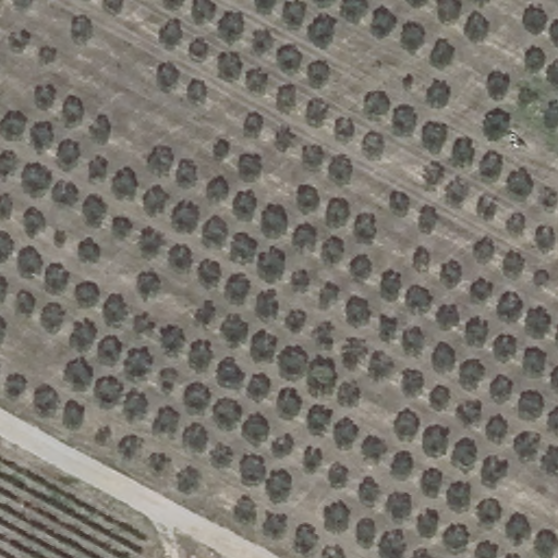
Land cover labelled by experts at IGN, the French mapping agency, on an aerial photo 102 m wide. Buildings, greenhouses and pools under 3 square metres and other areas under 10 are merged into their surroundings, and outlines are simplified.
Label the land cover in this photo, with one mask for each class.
<instances>
[{"label":"plowed land","instance_id":"1","mask_svg":"<svg viewBox=\"0 0 558 558\"><path fill-rule=\"evenodd\" d=\"M33 0H0V120L7 111H22L26 116L24 131L20 137L7 140L0 131V153L11 150L17 157L15 170L9 177H0V231L9 233V235H11V240H13V248H11L9 257H7L4 262H0V408L17 416L20 421L31 423L33 427L41 429L54 440L98 460L100 464L135 480L137 484L159 493L161 497L183 506L185 510L205 517L207 521L218 523L220 527L231 530L233 534L268 549L279 558H381L379 543L384 532L388 530H403L405 551L401 558H475V549L484 541L497 545L495 558H543L534 547L538 532L551 530L558 536V473L551 475L545 471L543 456L549 447H558V299L545 296L543 286L534 283V272L543 268L541 255L545 251L538 248L534 235L525 229L521 235H512L508 231L506 220L512 214L510 207L497 209L495 205H488L477 194V190L469 192V196L460 205H451V201L445 196V190L438 185L432 192L425 190V179L414 181L405 174L410 166L405 161L410 155L408 150L399 148L395 155H384L377 159L366 157V153L362 150V140L366 133L362 126L355 129L353 137H347L342 142L336 137V122L327 118L320 126L310 124L301 137L307 144H316L325 150L318 170L312 172L310 166L303 163V159H290L286 150H281L275 144V140L266 144L259 135L246 137L244 120L251 111L220 96L214 89H207V98L203 102H192L187 94L177 96L172 87L168 92H161L159 87L157 68L161 63L157 57L135 48L131 41H122L102 28L92 26V37L87 41L74 39V15L70 9L50 4L48 9L39 11L37 17H28L26 9ZM20 31L31 33L28 44L37 50L41 46L57 48V59L46 63L39 59V52L33 59L24 57L22 48H13L9 39L11 33ZM37 85H54L57 89L54 102L48 109L39 107L35 100ZM68 96H78L85 107V116L76 124L65 122L61 113ZM102 113L109 118L111 135L107 142H96L89 129ZM37 122H52L54 133L48 148L57 150L63 140L78 142L81 157L70 170H63L59 166L57 155L48 159L44 155L46 148L33 146L31 133ZM218 140L229 142V155L235 159H240V155L244 153H255L262 159V174L257 179H242L240 183L229 185V192L222 201H214L207 196L205 179H196V183L192 185H181L177 181L181 159H194L201 150L211 153ZM155 146H170L174 153L172 166L166 174L150 170L146 161L148 153ZM336 155H347L353 163L349 183L338 185L336 179L329 177V163ZM96 157L107 159V172L102 179H89V161H94ZM26 163H41L52 174L48 187L39 196H33L24 190L22 172ZM122 168H133L137 174V187L133 198H120L113 194L111 183L116 172ZM59 181L76 185L78 194L74 205H59L52 201V190ZM155 185H161L170 196L166 207L159 214L150 216L144 207V194ZM301 185H312L318 192L316 209L303 211L299 207L296 190ZM395 190L408 194L410 198V209L405 216L390 207V192ZM238 192L255 194L257 203L251 218H240L233 211V201ZM92 194L100 196L107 205L98 227L87 225L83 214L85 198ZM329 198L349 201V218L340 227H331L325 220ZM181 201H190L198 207L196 227L187 233L177 231L172 225V209ZM270 203L281 205L288 214V227L281 235H268L262 229V214ZM425 205H432L438 211V222L429 233H425L419 225V214ZM28 207L39 209L46 218V227L35 235H28L24 227V211ZM360 214L375 216L377 233L373 242H360L353 231L355 218ZM116 216H126L133 222L126 238H118L113 233ZM211 216H220L227 222V238L222 246L203 244V227ZM305 222L316 227L314 248H301L292 242L294 229ZM146 227L163 235L157 255L144 253L140 246V235ZM235 233H248L257 240V246L262 251H268L272 246L281 248L286 253V268L281 277L275 281H266L257 270V257H251L248 262H233L231 246ZM333 235L342 238L344 242V253L338 264H329L323 259V244ZM480 238H490L495 244V253L488 262H480L473 253V244ZM83 240H94L100 246L98 262H83L78 257V244ZM174 244L190 246L192 264L187 268H174L168 262L170 248ZM24 246L37 248V253L44 259L39 270L33 275H22L17 266V257ZM421 246L429 251V264H438L442 268V264L451 259L458 262L462 268V279L451 288L440 279V275H429L427 264L421 266V270H416L412 257L414 251ZM508 251H519L523 255L521 275H510L504 270V257ZM355 255H366L371 259V275L362 281H355L349 268ZM203 259L220 264V279L211 286H205L198 277V266ZM50 264H61L70 272V279L61 292H50L46 288V270ZM148 270H155L159 275L157 294L142 296L137 283H120L122 275H133L137 279L140 272ZM299 270H307V272H310V286H307L305 290H299V288H294V286H292V275H294V272H299ZM386 270L401 272V288L397 299L392 301L384 299L379 288L381 275ZM235 272L244 275L251 283L244 303L231 301L225 290L229 277ZM477 279H486L493 283V292L486 301H477L469 292L471 283ZM81 281H94L100 288L98 299L92 307H83L74 296V290ZM325 283H336L340 292L338 299L323 310L318 296ZM412 286H423L432 292V303L425 312H416L405 303V294ZM20 290H31L35 294L33 312L39 316L48 303H59L65 310L63 323L72 329L78 320H92L96 325V336L92 344L87 349H76L70 342V338H65L57 347H46L44 338L50 333V329H46L41 320L33 323L31 314L17 312L15 299ZM266 290H275L279 310L275 316L262 318L255 305L257 296ZM504 292H517L523 301L517 320H506L497 314V303ZM109 294H122L126 303L124 318L111 325L105 320L102 314ZM351 296L368 301L371 318L362 325H351L347 318V301ZM205 301H211L216 307V314L207 325L196 320V312L205 305ZM442 305H456L458 310V323L447 329L436 318ZM532 307H543L551 316L545 336L536 338L525 327ZM292 310L305 312V325L299 331H292L286 325V318ZM144 312L155 320V329L137 333L133 320L137 314ZM231 314H238L248 325L246 336L240 344L229 342L220 331L222 323ZM384 314L397 318V329L390 340H381L379 333V318ZM471 318H482L488 323V336L484 344L466 342L464 329ZM320 323L333 325L331 347L320 344L316 340L314 329ZM168 325L183 329L185 336L177 353L166 351L161 344V329ZM412 327L423 329V349L416 355L405 353L401 342L403 331ZM257 331H266L277 338V347L268 362H257L251 355V342ZM501 333H510L517 338L514 355H510L508 360H499L493 349L497 336ZM105 336H118L122 342V351L116 357V364H109L105 357L98 355V347ZM349 338H362L368 347L366 355H362L353 368H349L342 357V349ZM194 340L211 342V360L205 371H196L190 364V349ZM438 342H447L456 351V360L449 371L434 368L432 353ZM140 347H148L153 364L144 377H131L124 371L126 355L131 349ZM286 347H303L312 360H333L338 379L329 395H312L303 377L288 379L281 375L279 357ZM530 347L545 351V366L541 375H532L523 368V353ZM375 351H381L395 362V368L388 377L375 379L368 373L371 357ZM76 357H85L94 371L85 390H76L72 381L65 379V366L70 360ZM225 357H233L235 364L242 368L244 375L240 384L222 386L218 381V364ZM466 360H480L484 364V377L477 381L475 388H466L460 384V366ZM161 368H177V371H179V375H177V384L172 386V390H163V388H161V384H159V373H161ZM408 368H414L423 375V388L429 392L436 386L449 388V401L442 410L434 408L432 401L419 403L416 395H408L403 390V373ZM13 373L26 377V392H31L33 397L39 386H52L59 395L57 408L48 416H44L35 408V401L24 403L20 397H11L7 392V377ZM257 373H264L270 379L268 395L259 399L248 395L251 379ZM105 375H113L118 377V381H122V392L113 405H100V401L94 395L98 377ZM497 375H506L512 379V392L506 401H497L490 395V381ZM194 381L209 386L211 397L205 410H192L183 401L185 388ZM349 381H357L360 386V399L355 405H342L338 401L340 388ZM283 388H294L301 397L299 414L292 419H286L277 408V397ZM131 390L144 392L148 401L146 414L133 421H129L124 414L126 392ZM525 390H538L543 395V410L532 421L519 414V397ZM218 399H235L242 405V414L238 416L231 429L220 427L214 419V405ZM68 401H76L85 410L83 423L78 427H65L63 423ZM464 401L482 403L480 421L473 425L462 423L456 414L458 405ZM166 405H172L179 412V423L172 434H157L153 429V423L159 408ZM312 405H325L331 410V419L327 421L323 434H312L307 427V412ZM401 410H412L419 416V429L414 438H399L395 432V419ZM251 414H264L268 421V436L262 442H253L242 434V427L251 419ZM497 414L504 416L508 423V432L501 438V442L490 440L486 434L488 419ZM342 419H351L357 425V436L349 447H338L333 438L336 423ZM192 423H201L207 429V442L203 449H192L183 445V432ZM429 425H442L449 429L447 447L438 456H429L423 449V436ZM521 432H532L541 438L532 458H521L514 449V438ZM129 434L142 438V447L133 453V458H124L118 447L120 438ZM286 434L292 436L294 447L288 456L279 458L272 451V442ZM368 436H377L386 442V453L379 460H368L362 453V445ZM462 438H471L475 442L477 451L473 466H460L451 462L453 449ZM218 445L231 447V462L227 466H214L211 462V453ZM307 447H316L323 451V462L316 466V471L305 469L303 456ZM399 451H408L412 456V473L408 477H397L390 471L392 460ZM246 453L264 456L266 469H286L290 473L292 488L286 501H272L264 484L242 482L240 460ZM488 456H497L499 460L508 462L506 477H501L497 486H486L482 480V464ZM336 464H344L349 471L347 482L340 488L331 486L329 482V471ZM187 466L196 469L201 480L194 490L181 493L179 473ZM427 469H438L442 473L440 488L434 497L425 495L421 486V477ZM364 477H373L379 486V495L375 501H362L357 493ZM453 482L471 484V499L469 506L462 510H453L447 501V493ZM222 488H227L235 499L248 495L255 504V519L238 521L233 510H225L222 501L218 499V493ZM392 493L410 495L412 510L405 519H395L386 510L388 497ZM484 499H497L501 504V517L495 523H482L477 517V506ZM333 501H344L349 506V523L342 532H331L325 525V508ZM427 510L438 512V525L434 530V536H423L416 525L419 517ZM268 512L286 514V530L277 538L264 534V521ZM514 512L525 514L530 521V534L521 543H514L506 534V525ZM362 519L375 521V534L368 547L360 545L355 536L357 523ZM301 523L314 525L318 536L316 545L307 554H301L294 547L296 527ZM453 523H464L469 530V543L460 554H453L442 543L445 530ZM386 7L392 15H397L395 26L401 31L405 22H419L421 17L416 15V7L410 4V0H368L364 13L373 17L375 9ZM161 545L166 549V558H227L218 554L214 547L196 543L192 536L181 534L174 527H166L161 523L157 525Z\"/></svg>","mask_w":558,"mask_h":558},{"label":"deciduous trees","instance_id":"2","mask_svg":"<svg viewBox=\"0 0 558 558\"><path fill-rule=\"evenodd\" d=\"M216 11L214 0H194L192 15L198 24L211 20ZM368 0H290L283 4V20L290 28L299 26L301 31H305L307 37L320 48L331 41L333 26L338 22H344L347 17L351 22H357L364 13ZM462 9L460 0H438L436 11L442 22H456ZM397 15H392L386 7L375 9L373 17L371 28L377 37H386L395 26ZM547 17L545 11L541 7H527L523 11L525 28L530 33H541ZM218 31L227 41H235L244 31V17L238 11H227L218 24ZM464 31L469 39L480 41L488 35V20L475 11L469 15ZM74 39L87 41L92 37V20L87 15H74ZM159 39L168 48H174L181 41V20H168L159 28ZM425 41V28L419 22H405L401 31L403 48L416 50ZM272 41L270 31L264 28L255 31L253 35V48L259 52H266V48ZM9 39L13 48H22L24 57L33 59L39 52V59L46 63L57 59V48L41 46L37 50L28 44L31 33L20 31L11 33ZM429 59L432 65L445 68L453 61V46L447 39H438L432 48ZM303 54L296 46L286 44L277 50L279 65L283 70H299ZM525 68L538 70V78L547 76L549 83L558 87V61L547 59L545 52L536 46L525 50ZM242 68L240 52H220V76L227 81L238 78ZM310 83L314 87H320L329 76V63L318 59L312 61L307 68ZM159 87L161 92H168L172 87L179 81V70L174 68V63H161L157 68ZM246 85L251 92H266L268 74L262 68H255L246 74ZM488 92L493 98H499L508 92L510 76L504 72H490L486 81ZM192 102H203L207 98V89L203 81L192 78L187 85V94ZM451 96V89L445 81H434L427 87V102L434 107H445ZM296 102L294 85L290 83L281 85L277 92V109L286 113ZM57 89L54 85H37L35 100L39 107L48 109L54 102ZM390 98L386 92H368L364 96V109L366 116L373 120V116L386 113ZM61 113L65 122L76 124L85 116V107L78 96H68ZM327 102L323 98H314L307 102L305 111L310 124L320 126L327 118ZM545 129H558V100H551L543 113ZM416 124V113L410 105H399L392 116V126L401 135H410ZM510 113L504 109H490L484 118L486 135L475 146L469 137H458L451 150V159L456 166H466L473 161V150H477L484 155L480 166L482 177L497 179V174L501 172L504 157L521 161L523 157H532L541 148V144H525V140L521 137H512L508 133ZM26 116L22 111H7L0 120V131L7 140L20 137L24 131ZM262 113L251 111L244 120L246 137L259 135L266 144L275 140V144L281 150H286L290 159H303V163L310 166L312 172L318 170L325 150L316 144H307L301 137H296L290 131V126L279 129L272 135L270 131L262 129ZM96 142H107L111 135L109 118L102 113L89 129ZM355 129L351 118H338L336 122V137L342 142L347 137H353ZM54 133L52 122H37L31 133L33 146L46 148L44 155L48 159L57 155L59 166L63 170H70L81 157L78 142L63 140L57 150L48 148ZM447 140V124L427 122L423 126V144L427 150H440ZM362 150L366 153V157L377 159L384 155V135L379 131L366 133L362 140ZM262 174V159L255 153H244L240 155V159H235L229 155V142L218 140L211 153L201 150L194 159H181L177 181L181 185H192L196 183V179H205L207 196L214 201H222L229 192V185L240 183L242 179H257ZM174 153L170 146H155L148 153L146 161L150 170L166 174L172 166ZM17 157L11 150L0 153V177H9L15 170ZM353 163L347 155H336L329 163V177L336 179L338 185L349 183ZM107 172V159L96 157L94 161H89V179H102ZM405 174L414 181L425 179V190L432 192L438 185V181L445 177V166L440 161H432V166L425 172L421 166H410ZM52 174L41 163H26L22 172L24 190L33 196H39L48 187ZM113 194L120 198H133L137 187V174L133 168H122L116 172L111 183ZM506 187L517 198H525L532 192V177L525 168H519L510 172ZM445 196L451 201V205H460L469 196V192L462 177L451 181L445 190ZM78 194L76 185L59 181L52 190V201L59 205H74ZM170 196L161 185H155L144 194V207L150 216L159 214L166 207ZM299 207L303 211L316 209L318 192L312 185H301L296 190ZM390 207L405 216L410 209V198L408 194L395 190L390 192ZM257 203L255 194L238 192L233 201V211L240 218H251ZM107 205L100 196L92 194L85 198L83 214L87 225L98 227ZM349 218V201L329 198L325 220L331 227H340ZM198 207L190 201H181L172 209V225L177 231L187 233L196 227ZM288 227V214L281 205L270 203L262 214V229L268 235H281ZM438 222V211L432 205H425L419 214V225L425 233H429ZM24 227L28 235H35L46 227V218L39 209L28 207L24 211ZM353 231L360 242H373L377 233L375 216L360 214L355 218ZM508 231L512 235H521L525 229V216L512 214L506 220ZM133 222L126 216H116L113 233L118 238H126ZM227 238V222L220 216H211L203 227V244L222 246ZM292 242L301 248H314L316 227L305 222L294 229ZM538 248L545 251L541 255L543 268L534 272V283L543 286L545 296L558 299V242L551 225L536 227L534 235ZM163 235L146 227L140 235V246L144 253L157 255ZM11 248H13V240H11V235H9V233L0 231V262H4L7 257H9ZM251 257H257V270L266 281H275L281 277L286 268V253L281 248L272 246L268 251H262L257 246V240L248 233H235L231 246L233 262H248ZM344 253V242L342 238L333 235L323 244V259L329 264H338ZM473 253L480 262H488L495 253V244L490 238H480L473 244ZM78 257L83 262H98L100 246L94 240H83L78 244ZM168 262L174 268H187L192 264L190 246L174 244L170 248ZM44 259L37 253V248L24 246L17 257V266L22 275H33L39 270ZM416 270H421V266L427 264L429 275H440V279L451 288L462 279V268L458 262L451 259L442 264V268L438 264H429V251L421 246L414 251L412 257ZM504 270L510 275H521L523 255L519 251H508L504 257ZM349 268L355 281H362L371 275V259L366 255H355ZM198 277L205 286H211L220 279V264L203 259L198 266ZM70 279V272L61 264H50L46 270V288L50 292H61ZM120 283H137L142 296L157 294L159 275L155 270H148L140 272L137 279L133 275H122ZM292 286H294V288H299V290H305L307 286H310V272H307V270H299V272H294V275H292ZM379 288L384 299L392 301L397 299L401 288V272L386 270L381 275ZM251 283L244 275L235 272L229 277L225 290L231 301L244 303ZM469 292L477 301H486L493 292V283L486 279H477L471 283ZM100 288L94 281H81L74 290V296L83 307H92L98 299ZM340 292L336 283H325L318 296L323 310L338 299ZM405 303L416 312H425L432 303V292L423 286H412L405 294ZM17 312L31 314L33 323L41 320L46 329H50V333L44 338L46 347H57L65 338H70V342L76 349H87L92 344L96 336V325L92 320H78L72 329L63 323L65 310L59 303H48L39 316L33 312L35 294L31 290H20L15 299ZM262 318L275 316L279 310L275 290H266L257 296L255 305ZM523 301L517 292H504L497 303V314L506 320H517ZM102 314L105 320L111 325L124 318L126 303L122 294H109ZM347 318L351 325H362L371 318L368 301L351 296L347 301ZM216 314V307L211 301H205V305L196 312V320L207 325ZM436 318L447 329L458 323V310L456 305H442ZM551 316L543 307H532L525 327L536 338L545 336ZM286 325L292 331H299L305 325V312L292 310L286 318ZM137 333L155 329V320L144 312L137 314L133 320ZM248 325L238 314H231L222 323L220 331L229 342L240 344L246 336ZM397 329V318L384 314L379 318V333L381 340H390ZM466 342L484 344L488 336V323L482 318H471L464 329ZM333 325L320 323L314 329L316 340L320 344L331 347ZM185 336L183 329L168 325L161 329V344L166 351L177 353ZM401 342L405 353L416 355L423 349V329L412 327L403 331ZM277 347V338L266 331H257L251 342V355L257 362H268ZM493 349L499 360H508L510 355H514L517 338L510 333H501L497 336ZM122 351V342L118 336H105L98 347V355L105 357L109 364H116V357ZM368 347L362 338H349L342 349V357L349 368H353L362 355H366ZM211 360V342L194 340L190 349V364L196 371H205ZM456 360V351L447 342H438L432 353L434 368L449 371ZM153 364L148 347H140L131 349L126 355L124 371L131 377H144ZM281 375L288 379L303 377L312 395H329L338 379L333 360H312L303 347H286L279 357ZM545 366V351L530 347L523 353V368L532 375H541ZM395 368V362L381 351H375L371 357L368 373L375 379L388 377ZM94 371L85 357H76L70 360L65 366V379L72 381L76 390H85ZM244 375L242 368L235 364L233 357H225L218 364V381L222 386L240 384ZM484 377V364L480 360H466L460 366V384L466 388H475L477 381ZM177 375H179V371H177V368H161V373H159V384H161V388H163V390H172V386L177 384ZM403 390L408 395H416L419 403L432 401L434 408L442 410L449 401V388L436 386L429 392L423 388V375L414 368H408L403 373ZM7 392L11 397H20L24 403L35 401V408L44 416H48L57 408L59 395L52 386H39L33 397L31 392H26V377L13 373L7 377ZM270 379L264 373H257L251 379L248 395L259 399L268 395ZM122 392V381H118V377L113 375H105L98 377L94 395L100 401V405H113ZM512 392V379L506 375H497L490 381V395L497 401H506ZM211 397L209 386L194 381L185 388L183 401L192 410H205ZM360 399V386L357 381H349L340 388L338 401L342 405H355ZM277 408L286 419H292L299 414L301 397L294 388H283L277 397ZM148 401L144 392L131 390L126 392L124 414L129 421H133L146 414ZM543 410V395L538 390H525L519 397V414L532 421ZM242 414V405L235 399H218L214 405V419L220 427L231 429L238 416ZM85 410L76 401H68L63 423L65 427H78L83 423ZM456 414L462 423L473 425L480 421L482 403L464 401L458 405ZM179 423V412L172 405H166L159 408L153 423V429L157 434H172ZM331 419V410L325 405H312L307 412V427L312 434H323L327 421ZM419 429V416L412 410H401L395 419V432L399 438H414ZM242 434L253 442H262L268 436V421L264 414H251V419L242 427ZM508 432V423L504 416L497 414L488 419L486 434L490 440L501 442V438ZM357 436V425L351 419H342L336 423L333 438L338 447H349ZM207 442V429L201 423H192L183 432V445L192 449H203ZM449 429L442 425H429L423 436V449L429 456H438L447 447ZM541 438L532 432H521L514 438V449L521 458H532ZM118 447L124 458H133V453L142 447V438L129 434L120 438ZM294 447L292 436L286 434L272 442V451L279 458L288 456ZM362 453L368 460H379L386 453V442L377 436H368L362 445ZM477 451L475 442L471 438H462L453 449L451 462L460 466H473ZM211 462L214 466H227L231 462V447L218 445L211 453ZM305 469L316 471V466L323 462V451L316 447H307L303 456ZM545 471L551 475L558 473V447H549L543 456ZM390 471L397 477H408L412 473V456L408 451H399L392 460ZM242 482L264 484L272 501H286L292 488L290 473L286 469H266L264 456L246 453L240 460ZM508 462L499 460L497 456H488L482 464V480L486 486H497L501 477H506ZM349 471L344 464H336L329 471V482L331 486L340 488L347 482ZM201 480L196 469L187 466L179 473L181 493L194 490ZM442 473L438 469H427L421 477V486L425 495L434 497L440 488ZM357 493L362 501H375L379 495V486L373 477H364ZM471 499V484L453 482L447 493V501L453 510H462L469 506ZM218 499L222 501L225 510H233L238 521L255 519V504L248 495L235 499L227 488H222L218 493ZM386 510L395 519H405L412 510L410 495L392 493L388 497ZM477 517L482 523H495L501 517V504L497 499H484L477 506ZM349 523V506L344 501H333L325 508V525L331 532H342ZM416 525L423 536H434V530L438 525V512L427 510L419 517ZM286 530V514L268 512L264 521V534L277 538ZM506 534L514 543H521L530 534V521L525 514L514 512L506 525ZM375 534V521L362 519L357 523L355 536L360 545L368 547ZM318 536L314 525L301 523L296 527L294 547L301 554H307L316 545ZM442 543L453 554H460L469 543V530L464 523H453L445 530ZM405 551L403 530H388L384 532L379 543L381 558H401ZM534 547L543 558H558V536L551 530L538 532ZM497 545L484 541L475 549V558H495Z\"/></svg>","mask_w":558,"mask_h":558},{"label":"herbaceous vegetation","instance_id":"3","mask_svg":"<svg viewBox=\"0 0 558 558\"><path fill-rule=\"evenodd\" d=\"M194 0H33L26 9L28 17H37L39 11L48 9L50 4L70 9L74 15H87L92 20V26L102 28L122 41H131L135 48L157 57L161 63H174V68L179 70V81L172 87L177 96L187 94V85L192 78L203 81L207 89H214L220 96L251 111L262 113V129L270 131L272 135L279 129L290 126V131L296 137H301L310 124L305 111L307 102L314 98H323L327 102V118L336 122L338 118H351L355 129L362 126L366 133L379 131L384 135V155H395L399 148L408 150L410 155L405 161L410 166H421L425 172L432 166V161H440L445 166V177L438 181V185L445 190L451 181L462 177L469 192L477 190V194L488 205H495L497 209L510 207L512 214L525 216V229L534 235L536 227L551 225L558 242V129H545L543 113L551 100H558V87L549 83L547 76L538 78V70L525 68V50L536 46L545 52L547 59L558 61V0H460L462 9L456 22H442L436 11L438 0H410V4L416 7V15L421 17L419 22L425 28V41L416 50L403 48L401 31L395 26L386 37H377L371 28L373 17L364 13L357 22H351L347 17L344 22H338L333 26L331 41L320 48L307 37L305 31H301L299 26L290 28L283 20V4L290 0H214L216 11L211 20L198 24L192 15ZM527 7H541L545 11L547 17L541 33H530L525 28L523 11ZM227 11H238L244 17V31L235 41H227L218 31V24ZM475 11L488 20V35L480 41L469 39L464 31L469 15ZM168 20H181V41L174 48H168L159 39V28ZM264 28L270 31L272 41L266 48V52H259L253 48V35L255 31ZM438 39H447L453 46V61L445 68L432 65L429 59L432 48ZM286 44L296 46L303 54L299 70H283L279 65L277 50ZM220 52H240L242 68L238 78L227 81L220 76ZM318 59L329 63V76L320 87H314L310 83L307 68L312 61ZM255 68H262L268 74L266 92H251L246 85V74ZM490 72H504L510 76L508 92L499 98H493L488 92L486 81ZM434 81H445L451 89V96L445 107H434L427 102V87ZM290 83L294 85L296 102L286 113L277 109V92L281 85ZM368 92H386L390 98L386 113L373 116V120L366 116L364 109V96ZM399 105H410L416 113V124L410 135H401L392 126V116ZM490 109H504L510 113L508 133L512 137H521L525 140V144H541V148L532 157H523L521 161L504 157L501 172L497 174V179L482 177L480 166L484 155L477 150H473V161L466 166H456L451 159V150L458 137H469L475 146L486 135L484 118ZM427 122L447 124V140L440 150H427L423 144V126ZM519 168H525L532 177V192L525 198H517L506 187L510 172Z\"/></svg>","mask_w":558,"mask_h":558},{"label":"vineyard","instance_id":"4","mask_svg":"<svg viewBox=\"0 0 558 558\"><path fill-rule=\"evenodd\" d=\"M0 558H166V549L161 545L157 525L144 512L131 508L129 504L102 493L100 488L78 477L61 473L57 466L41 462L37 456L0 438Z\"/></svg>","mask_w":558,"mask_h":558},{"label":"pervious surface","instance_id":"5","mask_svg":"<svg viewBox=\"0 0 558 558\"><path fill-rule=\"evenodd\" d=\"M0 438L37 456L41 462L57 466L61 473L78 477L100 488L102 493L129 504L131 508L144 512L157 525L161 523L166 527H174L181 534L192 536L196 543L214 547L218 554L227 558H279L268 549L233 534L231 530L220 527L218 523L207 521L205 517L185 510L183 506L161 497L159 493L137 484L135 480L100 464L98 460L54 440L41 429L33 427L31 423L20 421L17 416L0 408Z\"/></svg>","mask_w":558,"mask_h":558}]
</instances>
